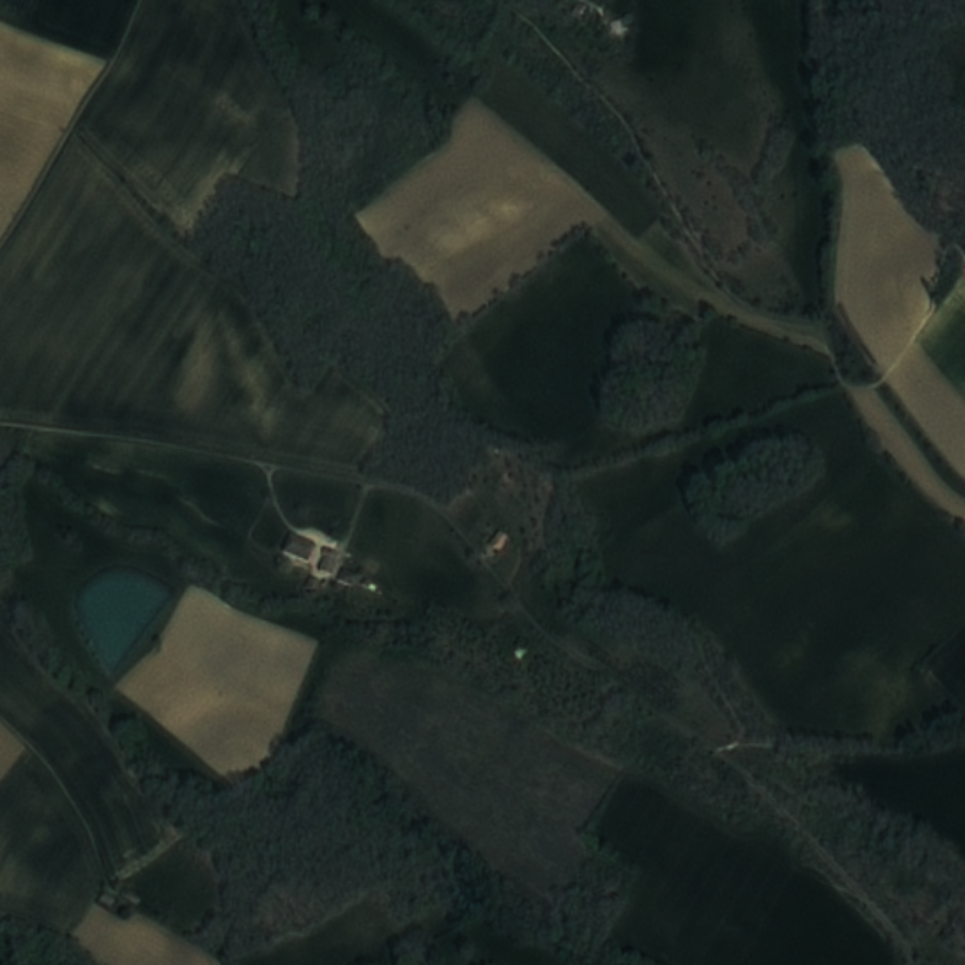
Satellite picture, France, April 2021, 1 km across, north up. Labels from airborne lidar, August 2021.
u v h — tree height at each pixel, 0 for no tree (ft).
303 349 51
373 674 0
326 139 44
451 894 80
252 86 0
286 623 0
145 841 0
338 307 59
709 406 0
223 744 0
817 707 0
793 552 0
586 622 43
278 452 0
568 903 63
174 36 0
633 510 0
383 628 41
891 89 64
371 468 55
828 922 0
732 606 0
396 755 0
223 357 0
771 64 0
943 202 39
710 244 57
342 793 79
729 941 0
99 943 0
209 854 51
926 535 0
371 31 0
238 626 0
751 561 0
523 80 0
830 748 62
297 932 51
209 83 0
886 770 0
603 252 52
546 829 0
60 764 0
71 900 0
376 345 56
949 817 0
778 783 25
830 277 40
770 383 0
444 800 0
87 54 0
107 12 0
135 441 0
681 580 0
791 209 0
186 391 0
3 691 0
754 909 0
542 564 45
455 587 0
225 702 0
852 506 0
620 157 51
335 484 0
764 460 81
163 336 0
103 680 0
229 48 0
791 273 0
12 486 62
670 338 68
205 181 0
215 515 0
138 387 0
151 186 0
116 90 0
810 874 0
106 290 0
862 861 36
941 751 47
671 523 0
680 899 0
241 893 57
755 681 0
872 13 64
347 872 43
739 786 30
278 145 0
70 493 31
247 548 0
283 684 0
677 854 0
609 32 29
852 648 0
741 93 0
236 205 57
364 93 36
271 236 68
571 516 60
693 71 0
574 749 0
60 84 0
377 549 0
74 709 0
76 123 0
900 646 0
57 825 0
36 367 0
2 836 0
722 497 46
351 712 0
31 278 0
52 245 0
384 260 31
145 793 39
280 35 63
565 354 0
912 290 0
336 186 51
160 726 0
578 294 0
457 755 0
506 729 0
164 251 0
